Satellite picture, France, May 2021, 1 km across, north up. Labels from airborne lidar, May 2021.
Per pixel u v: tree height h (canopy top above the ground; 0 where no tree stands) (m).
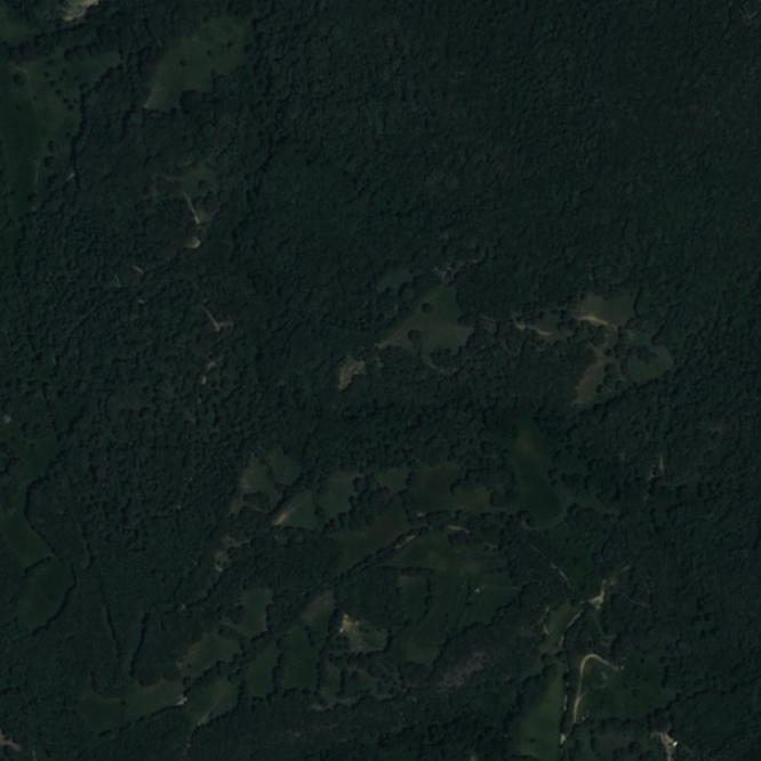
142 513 12
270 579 13
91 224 13
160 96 0
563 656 13
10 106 0
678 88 8
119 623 14
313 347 11
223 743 8
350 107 12
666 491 21
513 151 7
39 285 14
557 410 14
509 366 13
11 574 14
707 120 7
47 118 0
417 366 7
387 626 14
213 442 10
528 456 0
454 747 15
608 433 13
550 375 12
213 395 13
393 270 9
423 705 10
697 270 7
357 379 12
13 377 10
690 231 9
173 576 13
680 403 10
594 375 0
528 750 0
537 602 8
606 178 10
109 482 14
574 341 10
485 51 7
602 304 0
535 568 13
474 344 11
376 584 12
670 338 14
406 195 9
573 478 13
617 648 14
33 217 14
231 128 9
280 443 11
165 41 14
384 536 0
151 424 14
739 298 8
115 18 20
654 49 10
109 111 14
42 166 0
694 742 8
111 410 15
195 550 7
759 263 10
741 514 8
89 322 11
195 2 14
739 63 6
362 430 18
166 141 15
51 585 0
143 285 11
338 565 10
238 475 10
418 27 13
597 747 12
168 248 16
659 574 13
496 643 8
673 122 7
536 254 14
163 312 13
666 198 7
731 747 14
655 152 10
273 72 16
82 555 16
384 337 12
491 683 13
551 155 11
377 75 9
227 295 17
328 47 9
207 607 11
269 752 14
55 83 7
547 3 10
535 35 12
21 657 11
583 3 12
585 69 8
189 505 7
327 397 23
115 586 16
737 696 12
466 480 10
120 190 14
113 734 13
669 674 12
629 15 13
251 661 9
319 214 14
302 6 15
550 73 6
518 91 8
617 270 14
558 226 12
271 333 17
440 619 0
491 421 18
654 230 11
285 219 15
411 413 17
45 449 0
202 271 17
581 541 7
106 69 0
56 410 18
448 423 15
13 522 0
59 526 18
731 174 9
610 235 8
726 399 10
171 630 14
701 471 7
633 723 15
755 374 15
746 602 8
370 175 14
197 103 17
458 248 14
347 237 13
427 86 12
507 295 8
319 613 0
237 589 12
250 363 17
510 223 13
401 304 7
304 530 12
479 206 12
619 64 8
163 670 16
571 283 10
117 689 14
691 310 10
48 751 13
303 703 14
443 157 13
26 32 0
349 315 8
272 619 12
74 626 18
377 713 11
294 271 7
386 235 13
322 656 7
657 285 10
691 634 16
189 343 9
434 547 0
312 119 10
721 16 7
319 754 9
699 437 10
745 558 11
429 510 0
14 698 17
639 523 10
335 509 0
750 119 7
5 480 18
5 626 15
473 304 9
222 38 0
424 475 0
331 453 10
